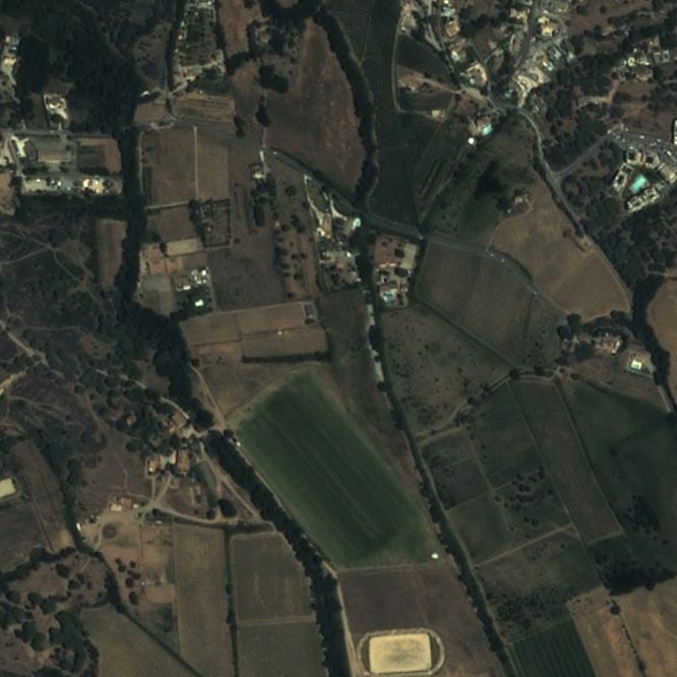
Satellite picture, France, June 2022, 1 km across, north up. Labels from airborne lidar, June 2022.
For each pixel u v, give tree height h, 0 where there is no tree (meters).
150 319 16
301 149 0
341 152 0
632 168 0
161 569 0
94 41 15
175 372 15
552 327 0
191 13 7
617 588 10
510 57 7
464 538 0
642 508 10
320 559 11
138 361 15
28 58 11
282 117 0
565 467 0
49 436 10
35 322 0
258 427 0
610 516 0
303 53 0
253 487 8
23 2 9
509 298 0
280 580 0
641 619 0
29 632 17
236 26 0
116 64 14
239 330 0
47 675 6
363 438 0
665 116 0
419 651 0
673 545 0
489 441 0
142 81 9
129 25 8
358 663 0
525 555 0
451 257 0
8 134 0
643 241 11
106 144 0
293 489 0
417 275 7
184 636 0
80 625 12
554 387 0
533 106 6
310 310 0
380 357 10
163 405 12
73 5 10
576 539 0
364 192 13
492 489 0
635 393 0
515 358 0
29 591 0
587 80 11
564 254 0
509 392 0
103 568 0
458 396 0
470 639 0
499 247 0
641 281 9
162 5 7
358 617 0
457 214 0
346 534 0
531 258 0
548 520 0
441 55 10
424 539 0
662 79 9
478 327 0
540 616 7
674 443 0
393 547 0
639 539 0
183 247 0
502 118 8
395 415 10
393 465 0
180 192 0
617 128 0
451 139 0
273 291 0
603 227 7
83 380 9
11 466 12
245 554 0
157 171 0
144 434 13
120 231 0
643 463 0
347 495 0
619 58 6
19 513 0
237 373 0
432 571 0
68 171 10
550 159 6
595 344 10
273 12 18
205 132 0
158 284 0
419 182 0
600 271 0
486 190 8
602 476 0
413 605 0
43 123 0
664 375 13
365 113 15
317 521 0
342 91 0
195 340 0
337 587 13
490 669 0
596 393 0
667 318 0
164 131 0
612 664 0
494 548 0
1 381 0
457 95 7
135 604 8
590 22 0
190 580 0
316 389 0
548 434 0
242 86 0
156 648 0
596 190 11
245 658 0
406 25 0
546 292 0
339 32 14
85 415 0
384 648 0
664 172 0
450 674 0
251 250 0
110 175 10
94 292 0
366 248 10
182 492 0
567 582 0
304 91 0
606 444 0
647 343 8
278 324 0
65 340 0
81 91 13
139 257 10
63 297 13
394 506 0
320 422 0
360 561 0
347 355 0
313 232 0
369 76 5
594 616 0
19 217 11
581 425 0
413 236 7
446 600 0
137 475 0
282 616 0
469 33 14
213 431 7
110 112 11
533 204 0
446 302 0
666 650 0
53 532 0
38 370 9
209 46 6
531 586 0
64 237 14
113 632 0
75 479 12
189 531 0
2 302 9
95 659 7
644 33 14
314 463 0
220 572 0
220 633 0
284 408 0
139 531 0
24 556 0
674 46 9
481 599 7
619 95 8
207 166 0
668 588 0
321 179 8
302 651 0
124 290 9
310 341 0
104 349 0
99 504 0
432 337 0
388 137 6
